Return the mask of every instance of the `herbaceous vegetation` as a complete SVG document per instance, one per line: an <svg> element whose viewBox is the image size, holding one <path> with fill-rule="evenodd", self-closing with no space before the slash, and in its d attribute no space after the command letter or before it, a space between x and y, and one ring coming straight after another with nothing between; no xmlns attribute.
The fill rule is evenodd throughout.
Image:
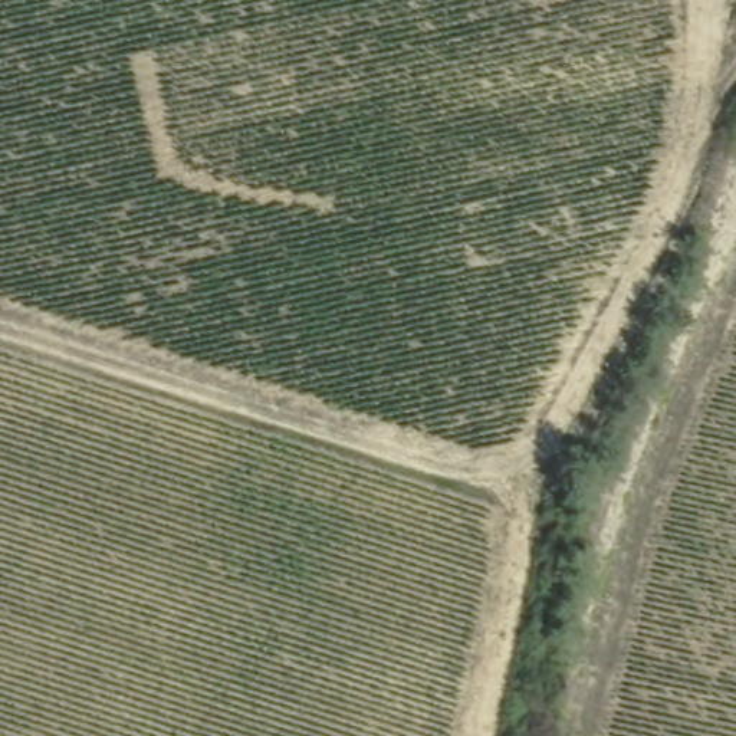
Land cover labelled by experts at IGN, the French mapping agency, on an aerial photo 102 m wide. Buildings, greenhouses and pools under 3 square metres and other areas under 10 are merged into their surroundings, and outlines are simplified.
<svg viewBox="0 0 736 736"><path fill-rule="evenodd" d="M627 466L618 483L601 497L601 506L607 509L601 532L584 552L575 555L575 564L584 575L584 587L572 598L581 601L584 610L581 618L561 627L564 650L558 658L566 667L566 690L558 719L558 736L610 736L615 710L621 704L621 681L627 673L633 638L638 633L647 584L656 564L656 549L673 549L673 541L664 538L664 523L670 515L673 489L681 477L681 466L699 443L704 403L719 391L719 380L730 374L730 365L736 359L736 161L727 164L722 175L722 190L713 201L710 256L704 267L704 285L690 302L690 325L670 342L664 377L656 382L650 394L644 423L627 454Z"/></svg>
<svg viewBox="0 0 736 736"><path fill-rule="evenodd" d="M451 722L449 736L495 736L497 704L503 696L503 681L515 647L515 627L523 607L523 587L529 575L529 543L535 529L535 503L541 492L541 472L535 466L538 426L552 423L555 428L566 431L575 414L581 411L584 400L589 397L589 388L604 365L604 357L621 336L621 328L627 325L627 308L635 296L635 285L644 282L650 265L664 250L667 227L679 219L684 207L687 184L699 164L699 152L710 135L719 98L736 83L736 0L725 0L727 23L716 81L699 83L696 78L687 78L687 0L667 0L676 35L670 40L673 86L667 92L661 112L661 150L656 150L656 170L650 173L644 204L633 216L630 233L621 242L604 279L584 282L584 288L589 290L589 305L581 305L578 322L569 331L564 331L558 362L549 368L541 391L526 408L520 434L515 434L515 440L506 446L466 449L414 428L382 423L371 414L328 405L313 394L299 394L273 382L262 382L250 374L178 357L167 348L150 345L147 339L129 339L121 328L95 328L40 308L29 308L23 302L14 302L12 296L0 296L0 339L147 388L178 394L230 414L242 414L267 426L279 426L334 446L345 446L397 466L408 466L449 480L463 480L495 492L497 500L483 518L483 532L489 538L489 572L480 587L477 630L472 644L466 647L466 670L457 690L457 719Z"/></svg>

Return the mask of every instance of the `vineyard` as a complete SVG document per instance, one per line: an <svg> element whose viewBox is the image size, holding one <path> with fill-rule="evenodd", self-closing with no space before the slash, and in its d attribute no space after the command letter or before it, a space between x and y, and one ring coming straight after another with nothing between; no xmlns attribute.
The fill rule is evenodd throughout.
<svg viewBox="0 0 736 736"><path fill-rule="evenodd" d="M638 633L633 638L627 673L621 681L621 704L615 710L610 736L736 736L736 359L730 365L730 374L719 380L719 391L704 403L699 443L681 466L681 477L673 489L670 515L664 523L664 538L673 541L673 549L656 549L656 564L647 584Z"/></svg>
<svg viewBox="0 0 736 736"><path fill-rule="evenodd" d="M466 647L472 644L477 630L480 587L489 572L489 538L483 532L483 518L497 500L495 492L463 480L449 480L408 466L397 466L345 446L334 446L279 426L267 426L242 414L230 414L178 394L147 388L0 339L0 736L449 736L451 722L457 719L457 690L466 670Z"/></svg>
<svg viewBox="0 0 736 736"><path fill-rule="evenodd" d="M515 434L520 434L526 408L541 391L549 368L558 362L564 331L569 331L578 322L581 305L589 305L589 290L584 288L584 282L604 279L621 242L630 233L633 216L644 204L650 173L656 170L656 150L661 150L661 112L667 92L673 86L670 40L676 35L667 0L0 0L0 296L12 296L14 302L23 302L29 308L40 308L95 328L121 328L129 339L147 339L150 345L167 348L178 357L250 374L262 382L273 382L299 394L313 394L328 405L371 414L382 423L414 428L466 449L506 446L515 440Z"/></svg>

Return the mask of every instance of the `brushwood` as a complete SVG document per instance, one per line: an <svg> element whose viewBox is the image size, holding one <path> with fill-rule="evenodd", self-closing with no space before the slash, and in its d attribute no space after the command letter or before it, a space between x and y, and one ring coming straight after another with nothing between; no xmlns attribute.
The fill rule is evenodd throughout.
<svg viewBox="0 0 736 736"><path fill-rule="evenodd" d="M644 282L635 285L635 296L627 308L627 325L621 328L621 336L604 357L604 365L589 388L589 397L584 400L581 411L575 414L566 431L555 428L552 423L538 426L535 466L541 472L541 492L535 503L535 529L529 543L529 575L523 587L523 607L515 627L515 647L503 681L503 696L497 704L495 736L558 736L558 719L566 690L566 667L558 658L564 650L561 627L581 618L584 610L581 601L572 598L584 587L584 575L575 564L575 555L584 552L601 532L607 509L601 506L601 497L618 483L627 466L627 454L644 423L650 394L656 382L664 377L670 342L690 325L690 302L704 285L704 267L710 256L713 201L722 190L722 175L727 164L736 161L736 83L719 98L710 135L699 152L699 164L687 184L684 207L679 219L667 227L664 250L650 265Z"/></svg>

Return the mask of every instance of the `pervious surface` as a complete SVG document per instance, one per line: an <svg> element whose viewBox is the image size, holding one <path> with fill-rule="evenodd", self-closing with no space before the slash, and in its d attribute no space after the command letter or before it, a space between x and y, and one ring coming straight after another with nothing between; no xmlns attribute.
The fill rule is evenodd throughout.
<svg viewBox="0 0 736 736"><path fill-rule="evenodd" d="M725 0L687 0L687 78L696 78L699 83L716 81L727 23Z"/></svg>

